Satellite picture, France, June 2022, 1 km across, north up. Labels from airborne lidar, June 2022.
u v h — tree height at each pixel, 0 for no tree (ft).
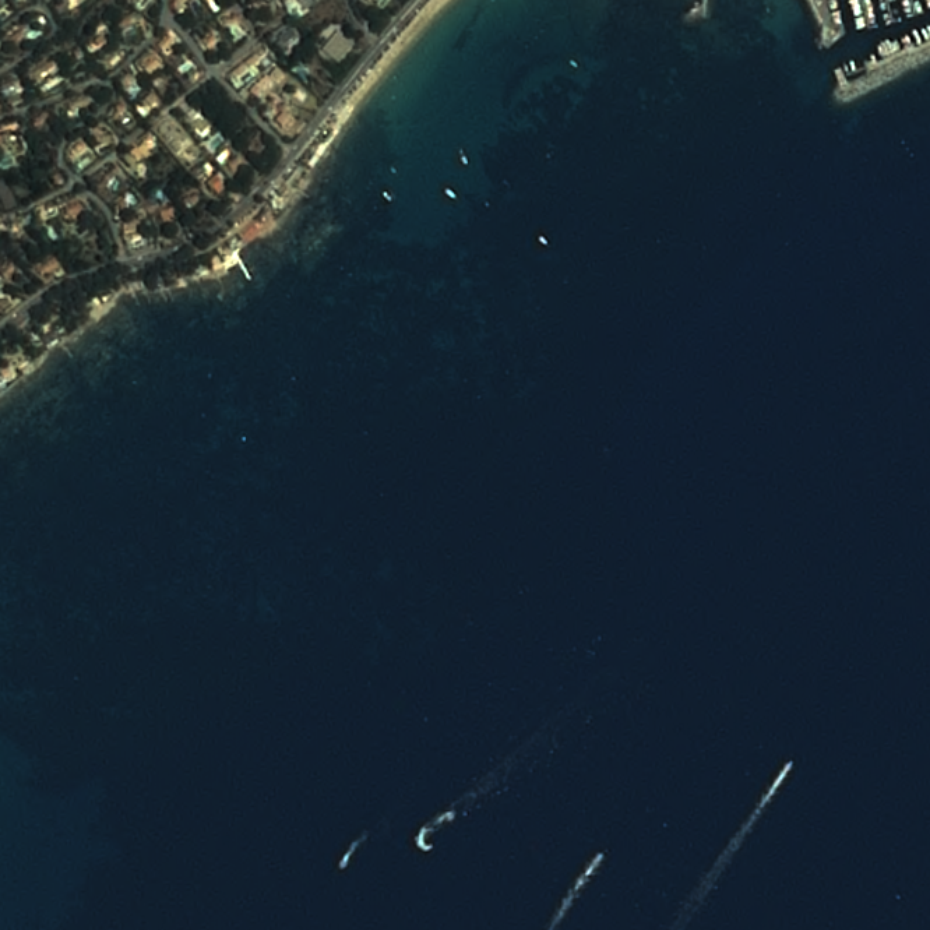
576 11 0
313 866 0
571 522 0
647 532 0
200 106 31
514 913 0
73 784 0
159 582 0
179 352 0
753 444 0
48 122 29
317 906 0
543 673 0
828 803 0
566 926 0
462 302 0
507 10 0
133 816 0
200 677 0
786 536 0
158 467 0
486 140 0
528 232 0
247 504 0
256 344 0
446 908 0
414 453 0
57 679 0
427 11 0
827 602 0
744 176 0
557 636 0
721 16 0
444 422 0
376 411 0
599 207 0
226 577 0
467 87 0
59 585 0
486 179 0
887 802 0
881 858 0
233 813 0
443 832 0
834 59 0
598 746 0
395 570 0
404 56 0
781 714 0
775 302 0
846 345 0
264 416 0
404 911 0
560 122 0
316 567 0
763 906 0
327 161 0
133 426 0
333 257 0
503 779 0
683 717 0
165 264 34
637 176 0
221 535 0
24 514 0
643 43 0
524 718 0
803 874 0
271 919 0
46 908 0
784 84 0
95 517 0
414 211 0
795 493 0
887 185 0
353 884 0
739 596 0
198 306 0
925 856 0
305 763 0
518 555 0
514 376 0
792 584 0
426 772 0
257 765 0
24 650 0
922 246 0
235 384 0
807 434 0
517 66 0
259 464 0
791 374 0
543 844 0
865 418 0
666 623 0
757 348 0
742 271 0
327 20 19
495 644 0
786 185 0
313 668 0
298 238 0
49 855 0
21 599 0
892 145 0
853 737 0
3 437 0
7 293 39
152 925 0
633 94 0
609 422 0
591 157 0
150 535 0
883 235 0
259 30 29
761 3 0
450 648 0
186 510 0
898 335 0
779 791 0
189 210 22
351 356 0
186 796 0
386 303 0
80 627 0
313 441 0
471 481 0
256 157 37
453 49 0
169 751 0
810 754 0
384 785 0
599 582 0
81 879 0
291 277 0
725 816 0
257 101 58
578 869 0
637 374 0
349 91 0
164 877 0
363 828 0
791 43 0
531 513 0
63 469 0
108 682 0
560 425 0
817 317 0
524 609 0
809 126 0
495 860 0
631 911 0
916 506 0
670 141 0
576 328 0
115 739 0
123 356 0
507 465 0
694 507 0
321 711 0
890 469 0
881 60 0
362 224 0
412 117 0
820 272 0
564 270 0
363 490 0
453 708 0
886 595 0
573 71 0
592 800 0
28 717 0
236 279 0
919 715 0
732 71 0
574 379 0
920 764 0
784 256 0
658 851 0
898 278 0
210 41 0
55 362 0
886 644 0
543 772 0
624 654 0
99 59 28
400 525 0
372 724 0
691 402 0
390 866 0
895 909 0
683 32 0
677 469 0
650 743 0
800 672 0
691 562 0
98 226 30
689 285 0
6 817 0
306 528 0
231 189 39
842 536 0
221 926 0
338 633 0
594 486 0
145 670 0
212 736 0
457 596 0
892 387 0
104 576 0
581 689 0
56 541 0
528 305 0
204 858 0
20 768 0
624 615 0
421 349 0
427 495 0
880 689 0
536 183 0
